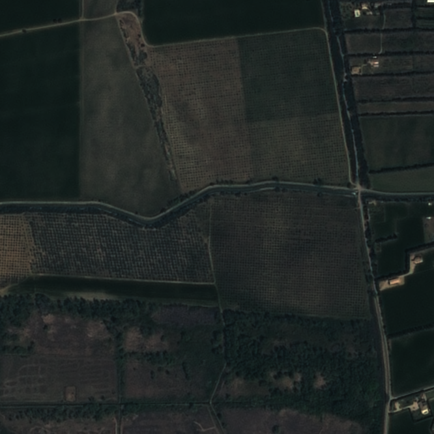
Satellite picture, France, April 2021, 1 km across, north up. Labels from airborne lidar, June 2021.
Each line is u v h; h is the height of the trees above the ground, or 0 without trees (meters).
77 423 0
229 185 12
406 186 0
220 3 0
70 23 0
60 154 0
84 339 0
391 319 0
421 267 0
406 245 0
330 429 0
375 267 8
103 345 0
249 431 0
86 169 0
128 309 21
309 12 0
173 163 0
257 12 0
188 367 13
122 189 0
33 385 0
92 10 0
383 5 6
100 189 0
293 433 0
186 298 0
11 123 0
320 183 14
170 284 0
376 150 0
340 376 19
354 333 8
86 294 0
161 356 14
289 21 0
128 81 0
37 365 0
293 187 0
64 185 0
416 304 0
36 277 0
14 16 0
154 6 0
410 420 0
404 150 0
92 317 16
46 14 0
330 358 13
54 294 0
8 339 15
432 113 10
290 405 7
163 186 0
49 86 0
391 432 0
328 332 12
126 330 6
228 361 15
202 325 6
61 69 0
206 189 0
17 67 0
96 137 0
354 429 0
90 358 0
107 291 0
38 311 17
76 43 0
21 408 0
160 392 0
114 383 0
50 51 0
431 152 0
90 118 0
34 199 0
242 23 0
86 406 10
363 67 0
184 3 0
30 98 0
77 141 0
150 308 9
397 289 0
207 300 0
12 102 0
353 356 14
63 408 12
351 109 7
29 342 0
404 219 0
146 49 0
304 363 13
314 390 15
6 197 0
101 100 0
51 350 0
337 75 8
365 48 0
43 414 10
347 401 15
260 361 21
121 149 0
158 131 0
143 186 0
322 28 0
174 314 6
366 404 20
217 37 0
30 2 0
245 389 0
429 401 6
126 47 0
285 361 20
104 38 0
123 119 0
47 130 0
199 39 0
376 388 10
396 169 10
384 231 0
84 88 0
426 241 0
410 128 0
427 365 0
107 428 0
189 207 7
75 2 0
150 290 0
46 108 0
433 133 0
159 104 0
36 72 0
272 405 7
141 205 0
